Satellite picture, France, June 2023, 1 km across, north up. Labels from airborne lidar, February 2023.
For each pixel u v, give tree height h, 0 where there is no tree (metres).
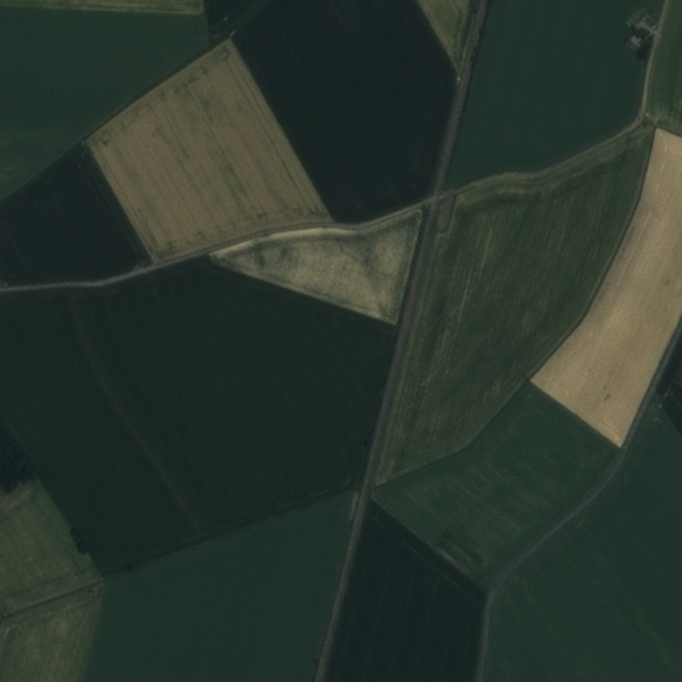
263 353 0
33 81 0
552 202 0
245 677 0
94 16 0
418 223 0
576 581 0
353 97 0
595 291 0
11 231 0
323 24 0
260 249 0
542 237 0
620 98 0
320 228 0
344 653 0
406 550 0
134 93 0
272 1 0
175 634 0
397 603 0
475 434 0
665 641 0
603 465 0
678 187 0
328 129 0
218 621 0
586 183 0
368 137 0
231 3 0
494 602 0
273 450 0
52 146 0
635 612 0
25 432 0
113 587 0
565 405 0
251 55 0
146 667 0
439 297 0
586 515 0
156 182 0
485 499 0
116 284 0
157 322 0
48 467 0
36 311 0
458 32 0
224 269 0
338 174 0
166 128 0
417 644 0
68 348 0
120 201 0
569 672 0
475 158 0
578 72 0
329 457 0
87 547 18
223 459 0
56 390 0
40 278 0
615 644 0
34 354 0
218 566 0
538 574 0
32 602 0
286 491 0
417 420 0
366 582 0
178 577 0
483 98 0
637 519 0
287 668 0
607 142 0
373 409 0
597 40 0
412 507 0
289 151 0
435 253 0
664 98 0
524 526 0
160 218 0
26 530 0
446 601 0
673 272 0
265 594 0
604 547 0
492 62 0
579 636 0
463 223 0
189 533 0
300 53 0
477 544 0
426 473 0
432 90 0
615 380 0
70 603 0
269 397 0
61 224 0
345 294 0
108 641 0
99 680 0
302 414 0
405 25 0
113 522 0
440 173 0
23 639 0
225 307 0
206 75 0
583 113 0
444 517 0
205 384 0
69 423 0
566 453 0
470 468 0
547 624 0
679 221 0
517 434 0
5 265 0
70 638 0
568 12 0
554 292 0
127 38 0
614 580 0
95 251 0
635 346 0
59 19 0
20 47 0
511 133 0
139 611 0
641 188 0
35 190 0
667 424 0
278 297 0
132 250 0
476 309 0
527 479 0
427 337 0
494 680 0
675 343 0
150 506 0
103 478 0
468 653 0
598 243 0
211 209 0
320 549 0
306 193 0
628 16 0
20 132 0
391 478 0
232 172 0
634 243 0
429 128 0
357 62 0
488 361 0
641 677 0
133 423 0
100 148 0
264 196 0
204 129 0
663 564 0
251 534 0
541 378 0
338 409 0
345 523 0
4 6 0
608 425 0
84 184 0
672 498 0
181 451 0
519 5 0
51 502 0
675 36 0
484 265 0
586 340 0
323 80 0
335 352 0
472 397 0
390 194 0
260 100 0
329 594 0
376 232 0
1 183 0
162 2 0
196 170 0
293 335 0
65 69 0
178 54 0
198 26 0
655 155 0
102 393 0
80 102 0
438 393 0
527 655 0
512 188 0
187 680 0
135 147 0
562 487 0
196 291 0
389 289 0
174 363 0
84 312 0
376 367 0
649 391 0
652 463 0
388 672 0
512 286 0
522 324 0
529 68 0
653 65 0
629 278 0
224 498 0
